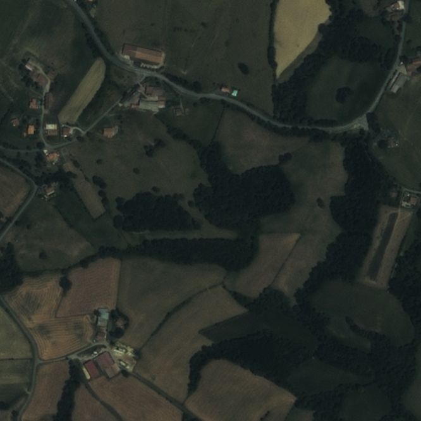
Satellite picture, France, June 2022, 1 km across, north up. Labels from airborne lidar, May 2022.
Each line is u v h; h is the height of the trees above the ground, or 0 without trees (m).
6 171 0
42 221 0
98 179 16
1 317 0
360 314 0
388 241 0
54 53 0
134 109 0
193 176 0
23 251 0
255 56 0
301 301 12
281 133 9
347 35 25
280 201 21
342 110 0
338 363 14
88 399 0
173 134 6
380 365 15
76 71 0
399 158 0
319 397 11
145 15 0
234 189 25
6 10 0
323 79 0
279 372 14
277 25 0
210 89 0
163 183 0
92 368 0
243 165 0
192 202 18
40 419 0
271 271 0
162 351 0
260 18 0
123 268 0
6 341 0
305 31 0
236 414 0
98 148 0
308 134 11
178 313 0
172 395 0
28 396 0
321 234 0
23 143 0
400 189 12
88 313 0
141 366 0
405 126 0
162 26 0
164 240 18
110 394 0
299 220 0
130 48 0
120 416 0
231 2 0
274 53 17
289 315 15
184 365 0
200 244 19
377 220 12
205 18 0
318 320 10
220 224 20
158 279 0
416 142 0
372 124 12
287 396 0
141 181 0
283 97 19
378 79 0
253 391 0
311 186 0
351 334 0
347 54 6
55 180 20
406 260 18
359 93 0
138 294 0
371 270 0
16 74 0
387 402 0
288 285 0
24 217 0
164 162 0
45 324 0
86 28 9
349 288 0
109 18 0
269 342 17
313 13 0
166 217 20
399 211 0
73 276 0
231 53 0
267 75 0
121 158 0
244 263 15
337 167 0
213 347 18
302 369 0
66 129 0
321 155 0
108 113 0
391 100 0
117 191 0
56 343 0
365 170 18
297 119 20
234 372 0
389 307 0
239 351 20
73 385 24
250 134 0
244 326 0
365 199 22
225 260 23
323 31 23
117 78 0
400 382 20
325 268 11
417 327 14
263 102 0
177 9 0
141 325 0
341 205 20
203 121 0
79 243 0
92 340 0
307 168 0
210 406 0
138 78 0
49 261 0
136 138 0
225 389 0
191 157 0
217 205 26
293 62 0
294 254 0
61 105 0
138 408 0
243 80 0
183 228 19
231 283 0
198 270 0
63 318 0
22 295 0
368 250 10
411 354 19
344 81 0
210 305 0
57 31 0
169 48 0
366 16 6
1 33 0
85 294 0
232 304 0
